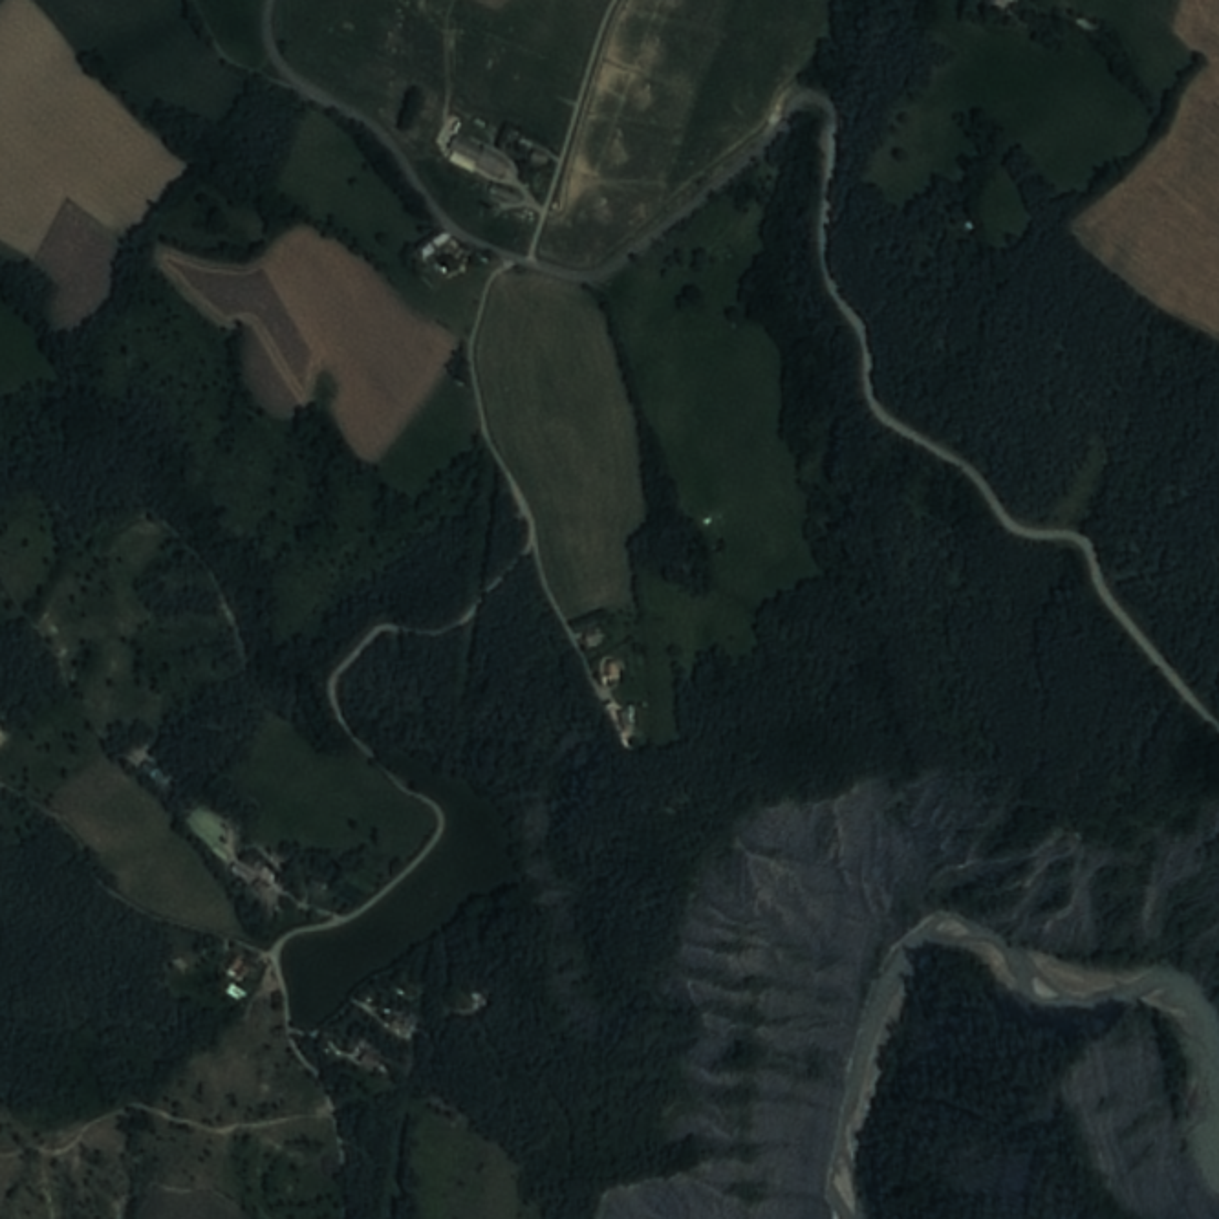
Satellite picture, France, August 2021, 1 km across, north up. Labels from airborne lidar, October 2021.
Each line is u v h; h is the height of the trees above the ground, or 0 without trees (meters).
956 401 13
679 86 0
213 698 8
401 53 0
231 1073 0
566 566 0
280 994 8
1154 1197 0
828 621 16
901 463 18
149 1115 11
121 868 0
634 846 14
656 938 11
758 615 9
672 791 11
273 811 0
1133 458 12
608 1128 12
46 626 0
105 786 0
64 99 0
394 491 9
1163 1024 23
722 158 0
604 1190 11
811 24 0
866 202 15
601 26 0
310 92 0
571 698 14
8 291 16
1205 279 0
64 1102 9
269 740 0
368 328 0
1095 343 11
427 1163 0
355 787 0
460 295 0
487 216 0
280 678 7
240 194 6
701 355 0
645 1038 7
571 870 11
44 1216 0
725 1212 0
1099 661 13
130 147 0
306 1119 0
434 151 0
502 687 16
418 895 0
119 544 0
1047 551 15
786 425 14
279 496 14
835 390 16
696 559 14
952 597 14
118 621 0
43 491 13
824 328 15
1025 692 16
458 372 7
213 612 7
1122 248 0
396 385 0
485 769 14
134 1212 8
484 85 0
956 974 13
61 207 0
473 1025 10
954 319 11
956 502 13
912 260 14
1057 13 6
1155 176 0
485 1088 14
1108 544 9
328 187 0
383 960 0
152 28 0
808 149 22
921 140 0
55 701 9
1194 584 10
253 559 12
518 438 0
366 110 0
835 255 13
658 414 0
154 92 0
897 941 0
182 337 8
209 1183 0
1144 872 11
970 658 11
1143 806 13
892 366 13
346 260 0
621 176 0
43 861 11
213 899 0
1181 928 10
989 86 0
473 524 15
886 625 19
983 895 14
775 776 14
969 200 12
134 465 13
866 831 0
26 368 0
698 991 0
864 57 12
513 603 9
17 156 0
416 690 12
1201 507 9
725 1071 6
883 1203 15
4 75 0
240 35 0
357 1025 10
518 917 23
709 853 8
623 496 0
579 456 0
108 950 8
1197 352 12
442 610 14
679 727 10
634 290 0
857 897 0
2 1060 11
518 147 11
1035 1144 9
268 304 0
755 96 0
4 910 7
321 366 0
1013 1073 7
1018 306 11
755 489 0
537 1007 13
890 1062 18
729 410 0
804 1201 0
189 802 11
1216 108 0
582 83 0
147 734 8
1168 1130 0
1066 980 0
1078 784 11
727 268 0
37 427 14
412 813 0
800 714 16
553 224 0
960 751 10
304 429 20
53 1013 8
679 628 0
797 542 0
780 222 17
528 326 0
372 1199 11
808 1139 0
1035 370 11
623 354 10
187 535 9
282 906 12
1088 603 9
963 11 14
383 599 13
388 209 0
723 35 0
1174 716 14
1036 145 0
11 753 0
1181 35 0
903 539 11
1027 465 9
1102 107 0
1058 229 12
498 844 0
